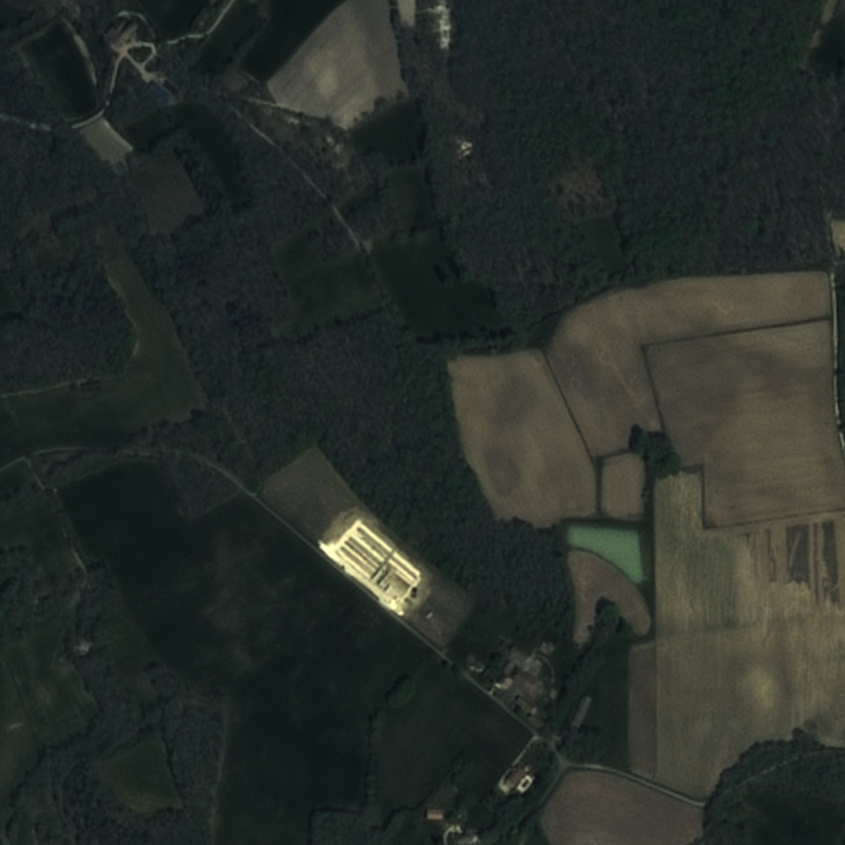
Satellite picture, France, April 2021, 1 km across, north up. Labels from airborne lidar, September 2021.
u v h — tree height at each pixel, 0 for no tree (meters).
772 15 22
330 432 17
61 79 0
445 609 0
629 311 0
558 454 0
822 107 15
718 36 16
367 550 0
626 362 0
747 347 0
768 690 0
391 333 19
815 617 0
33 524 0
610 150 18
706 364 0
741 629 0
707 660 0
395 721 0
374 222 18
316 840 17
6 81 19
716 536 0
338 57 0
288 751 0
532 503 0
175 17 0
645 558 0
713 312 0
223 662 0
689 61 23
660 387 0
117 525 0
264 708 0
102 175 18
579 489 0
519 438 0
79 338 18
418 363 23
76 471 19
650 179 22
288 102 0
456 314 0
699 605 0
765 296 0
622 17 19
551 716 12
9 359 16
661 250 25
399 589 0
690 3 23
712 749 0
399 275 0
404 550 0
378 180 15
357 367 18
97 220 22
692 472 0
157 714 18
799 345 0
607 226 0
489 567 21
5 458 0
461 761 6
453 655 0
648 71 19
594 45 13
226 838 0
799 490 0
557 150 20
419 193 0
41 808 11
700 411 0
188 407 0
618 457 0
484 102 16
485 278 21
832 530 0
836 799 23
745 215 18
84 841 9
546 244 19
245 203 0
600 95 16
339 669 0
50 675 0
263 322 18
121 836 9
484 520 20
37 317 17
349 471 18
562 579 20
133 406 0
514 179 17
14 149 18
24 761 0
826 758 15
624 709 0
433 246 0
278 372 14
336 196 12
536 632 9
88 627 18
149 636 0
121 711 20
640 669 0
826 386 0
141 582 0
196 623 0
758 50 22
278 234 10
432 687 0
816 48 0
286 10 0
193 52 15
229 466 9
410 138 0
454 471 23
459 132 14
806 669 0
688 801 0
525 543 22
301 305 0
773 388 0
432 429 25
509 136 18
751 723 0
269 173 19
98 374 17
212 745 16
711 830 10
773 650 0
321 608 0
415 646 0
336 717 0
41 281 15
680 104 22
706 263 22
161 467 13
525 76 17
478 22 18
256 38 11
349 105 0
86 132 0
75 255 16
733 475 0
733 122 22
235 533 0
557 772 12
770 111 19
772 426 0
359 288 0
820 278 0
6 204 14
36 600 11
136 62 0
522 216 21
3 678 0
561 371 0
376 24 0
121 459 13
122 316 15
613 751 0
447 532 22
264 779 0
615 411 0
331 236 12
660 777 0
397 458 18
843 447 0
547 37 15
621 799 0
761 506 0
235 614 0
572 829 0
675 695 0
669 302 0
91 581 19
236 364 16
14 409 0
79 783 7
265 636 0
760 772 14
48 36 0
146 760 0
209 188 19
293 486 0
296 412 18
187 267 21
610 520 0
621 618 10
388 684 0
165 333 0
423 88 22
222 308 15
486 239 15
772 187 13
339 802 0
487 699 0
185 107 0
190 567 0
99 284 17
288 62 0
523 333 17
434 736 0
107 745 8
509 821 18
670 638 0
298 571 0
